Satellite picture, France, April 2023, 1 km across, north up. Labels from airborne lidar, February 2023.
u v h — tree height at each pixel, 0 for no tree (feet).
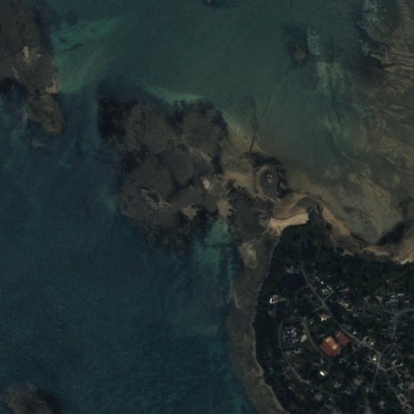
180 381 0
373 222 0
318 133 0
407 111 0
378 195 0
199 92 0
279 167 0
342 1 0
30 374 0
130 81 0
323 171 0
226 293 0
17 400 0
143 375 0
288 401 56
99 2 0
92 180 0
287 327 0
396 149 0
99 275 0
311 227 0
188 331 0
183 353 0
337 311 59
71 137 0
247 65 0
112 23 0
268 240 0
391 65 0
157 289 0
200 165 0
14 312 0
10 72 0
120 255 0
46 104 0
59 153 0
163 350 0
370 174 0
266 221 0
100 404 0
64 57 0
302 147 0
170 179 0
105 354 0
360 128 0
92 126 0
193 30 0
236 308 0
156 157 0
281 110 0
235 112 0
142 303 0
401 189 0
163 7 0
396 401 25
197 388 0
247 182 0
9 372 0
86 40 0
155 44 0
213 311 0
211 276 0
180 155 0
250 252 0
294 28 0
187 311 0
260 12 0
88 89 0
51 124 0
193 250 0
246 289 0
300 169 0
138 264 0
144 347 0
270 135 0
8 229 0
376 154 0
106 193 0
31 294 0
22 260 0
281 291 40
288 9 0
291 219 0
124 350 0
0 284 0
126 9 0
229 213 0
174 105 0
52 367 0
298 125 0
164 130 0
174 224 0
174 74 0
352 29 0
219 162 0
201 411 0
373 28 0
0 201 0
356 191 0
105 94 0
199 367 0
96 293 0
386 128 0
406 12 0
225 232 0
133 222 0
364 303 0
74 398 0
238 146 0
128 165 0
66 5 0
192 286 0
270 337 44
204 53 0
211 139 0
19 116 0
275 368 69
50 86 0
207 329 0
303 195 0
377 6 0
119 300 0
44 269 0
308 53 0
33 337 0
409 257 0
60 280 0
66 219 0
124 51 0
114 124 0
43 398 0
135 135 0
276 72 0
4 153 0
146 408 0
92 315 0
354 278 38
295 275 36
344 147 0
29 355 0
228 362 0
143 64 0
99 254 0
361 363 40
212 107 0
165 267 0
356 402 47
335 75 0
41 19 0
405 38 0
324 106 0
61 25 0
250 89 0
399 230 0
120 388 0
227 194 0
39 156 0
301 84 0
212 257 0
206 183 0
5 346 0
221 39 0
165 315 0
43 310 0
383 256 0
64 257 0
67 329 0
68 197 0
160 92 0
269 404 0
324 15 0
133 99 0
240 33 0
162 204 0
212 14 0
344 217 0
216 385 0
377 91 0
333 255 60
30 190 0
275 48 0
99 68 0
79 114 0
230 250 0
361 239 0
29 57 0
